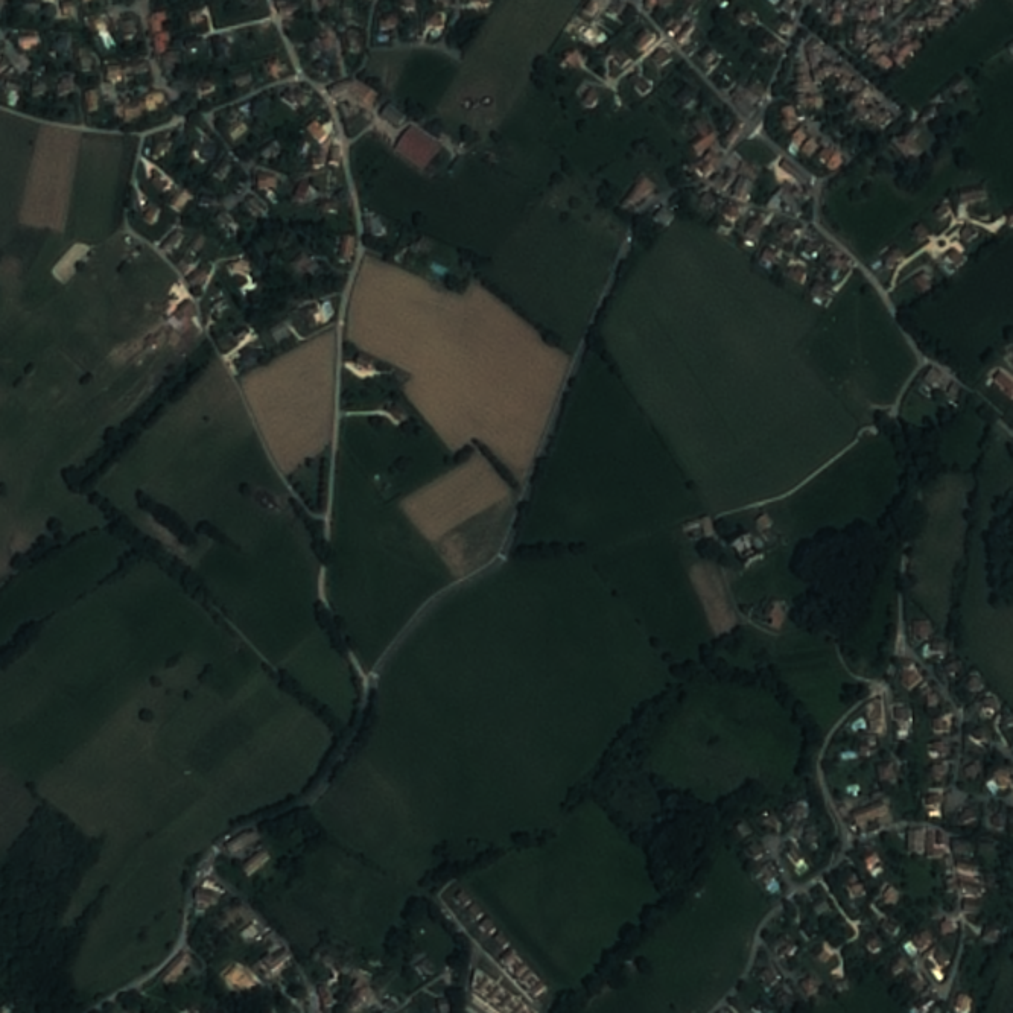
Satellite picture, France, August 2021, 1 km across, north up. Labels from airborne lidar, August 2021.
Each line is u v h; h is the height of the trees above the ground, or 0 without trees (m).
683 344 0
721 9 9
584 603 0
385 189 0
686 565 0
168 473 0
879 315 0
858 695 14
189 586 16
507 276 0
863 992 0
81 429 0
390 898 0
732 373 0
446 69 0
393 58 0
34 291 0
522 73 0
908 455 15
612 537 0
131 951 0
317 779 10
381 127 0
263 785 0
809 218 6
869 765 6
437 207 0
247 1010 24
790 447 0
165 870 0
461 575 0
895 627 8
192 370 9
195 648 0
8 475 0
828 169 6
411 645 0
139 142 0
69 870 8
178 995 15
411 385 0
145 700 0
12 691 0
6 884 9
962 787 8
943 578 0
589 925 0
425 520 0
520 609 0
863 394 0
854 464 0
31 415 0
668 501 0
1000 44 0
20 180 0
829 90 6
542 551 13
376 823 0
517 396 0
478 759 0
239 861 9
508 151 0
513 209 0
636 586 0
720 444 0
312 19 10
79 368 0
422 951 7
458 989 8
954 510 0
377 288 0
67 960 16
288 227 18
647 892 0
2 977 10
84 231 0
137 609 0
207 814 0
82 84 7
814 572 34
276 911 0
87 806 0
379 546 0
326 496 10
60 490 0
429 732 0
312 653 0
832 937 6
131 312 0
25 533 0
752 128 0
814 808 8
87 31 7
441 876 13
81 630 0
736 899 0
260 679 0
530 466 0
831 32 8
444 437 0
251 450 0
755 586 0
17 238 0
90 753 0
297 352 0
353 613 0
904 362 0
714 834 22
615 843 0
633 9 12
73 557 0
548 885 0
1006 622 0
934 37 12
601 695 0
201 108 10
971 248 0
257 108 16
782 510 0
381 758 0
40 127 0
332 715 16
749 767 0
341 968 16
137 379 0
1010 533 16
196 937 12
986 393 0
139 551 14
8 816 0
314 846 14
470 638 0
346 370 0
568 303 0
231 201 0
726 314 0
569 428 0
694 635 0
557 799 0
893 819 0
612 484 0
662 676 0
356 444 0
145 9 0
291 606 0
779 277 8
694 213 7
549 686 0
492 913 0
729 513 0
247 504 0
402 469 8
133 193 9
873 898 6
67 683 0
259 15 0
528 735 0
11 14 8
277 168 12
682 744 0
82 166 0
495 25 0
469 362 0
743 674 12
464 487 0
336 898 0
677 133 0
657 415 0
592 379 0
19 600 0
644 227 18
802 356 0
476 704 0
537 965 0
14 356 0
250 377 0
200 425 0
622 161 0
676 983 0
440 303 0
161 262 0
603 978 17
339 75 9
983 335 0
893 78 14
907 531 21
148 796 0
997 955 10
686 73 6
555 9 0
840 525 0
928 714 8
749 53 8
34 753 0
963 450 0
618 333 0
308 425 0
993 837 7
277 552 0
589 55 9
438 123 11
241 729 0
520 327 0
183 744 0
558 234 0
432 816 0
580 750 0
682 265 0
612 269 0
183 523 14
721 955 0
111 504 15
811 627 28
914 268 0
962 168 17
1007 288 0
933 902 8
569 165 9
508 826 0
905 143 0
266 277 11
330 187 0
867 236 0
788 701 15
